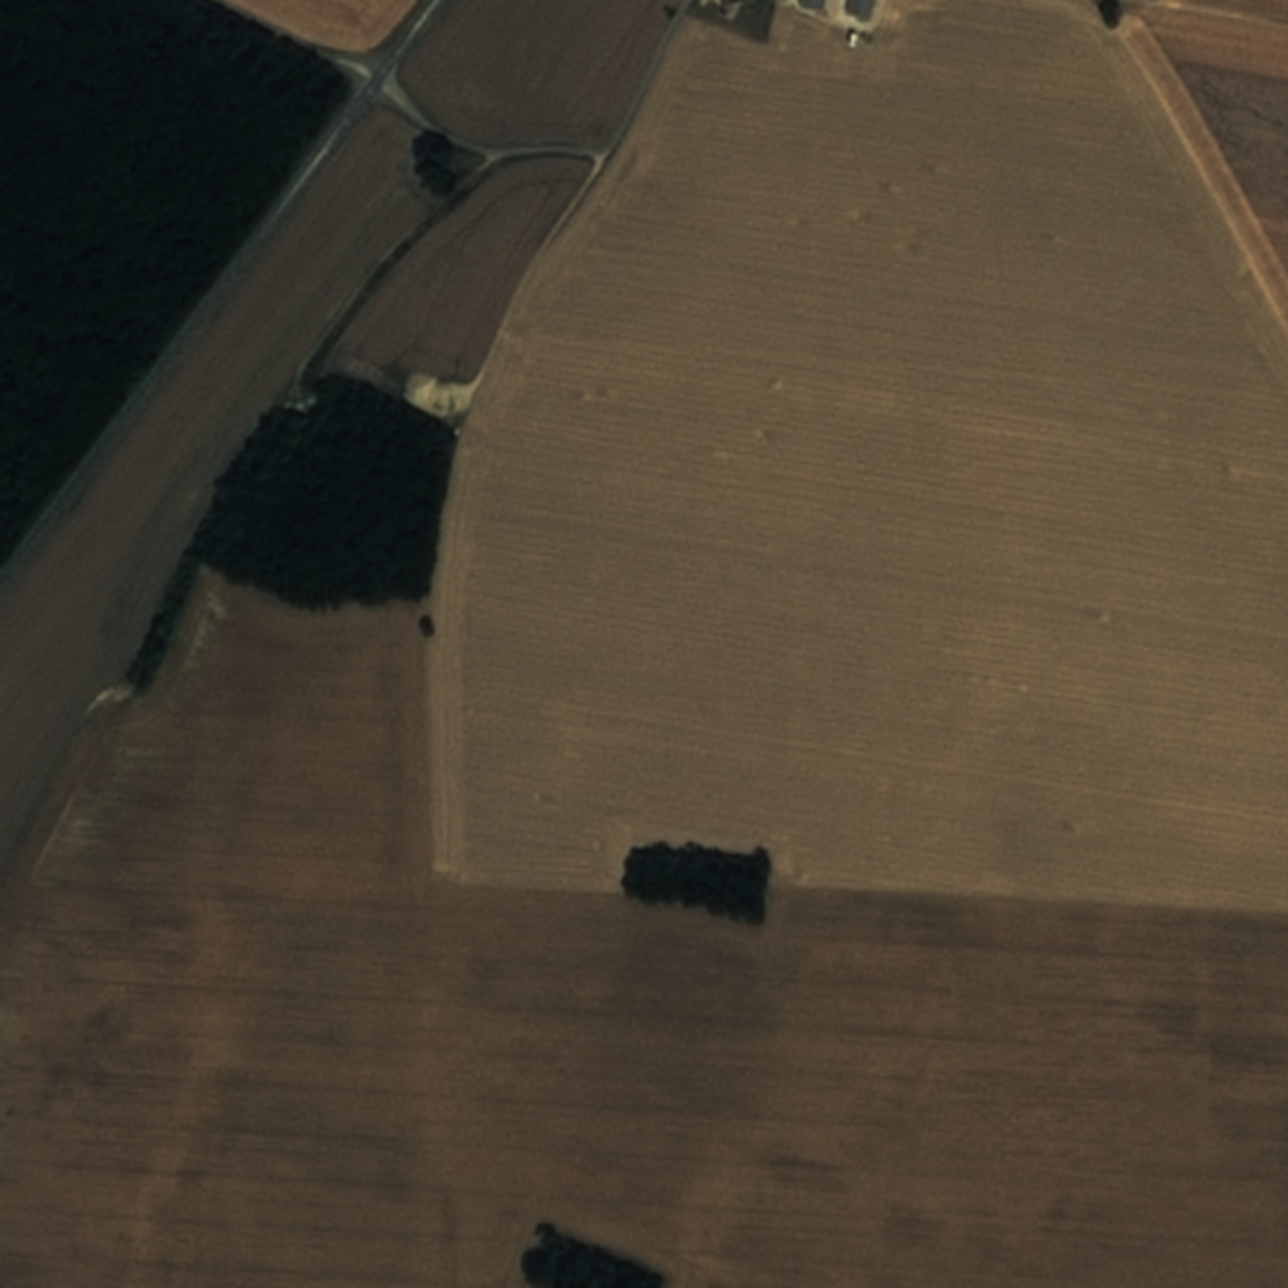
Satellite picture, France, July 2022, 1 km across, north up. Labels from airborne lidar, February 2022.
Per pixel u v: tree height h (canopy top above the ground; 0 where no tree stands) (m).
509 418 0
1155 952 0
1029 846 0
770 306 0
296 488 21
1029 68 0
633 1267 6
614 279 0
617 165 0
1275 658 0
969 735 0
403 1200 0
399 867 0
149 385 0
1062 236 0
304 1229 0
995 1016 0
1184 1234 0
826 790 0
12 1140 0
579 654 0
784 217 0
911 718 0
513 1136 0
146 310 26
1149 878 0
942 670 0
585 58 0
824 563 0
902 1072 0
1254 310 0
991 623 0
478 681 0
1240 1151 0
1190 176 0
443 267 0
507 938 0
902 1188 0
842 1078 0
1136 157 0
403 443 20
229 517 16
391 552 22
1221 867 0
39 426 24
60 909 0
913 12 0
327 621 0
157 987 0
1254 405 0
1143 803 0
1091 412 0
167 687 0
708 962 0
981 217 0
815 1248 0
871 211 0
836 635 0
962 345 0
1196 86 0
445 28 0
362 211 0
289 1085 0
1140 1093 0
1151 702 0
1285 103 0
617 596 0
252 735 0
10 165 26
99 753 0
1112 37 0
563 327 0
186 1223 0
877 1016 0
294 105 23
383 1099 0
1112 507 0
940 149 0
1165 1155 0
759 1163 0
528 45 0
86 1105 0
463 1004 0
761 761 0
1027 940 0
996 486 0
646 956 0
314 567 22
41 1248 0
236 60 21
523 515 0
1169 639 0
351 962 0
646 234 0
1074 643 0
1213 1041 0
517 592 0
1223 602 0
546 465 0
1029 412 0
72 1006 0
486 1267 0
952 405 0
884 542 0
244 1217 0
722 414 0
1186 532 0
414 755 0
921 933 0
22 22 24
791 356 0
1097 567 0
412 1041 0
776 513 0
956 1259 0
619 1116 0
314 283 0
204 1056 0
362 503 21
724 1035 0
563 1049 0
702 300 0
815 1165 0
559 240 0
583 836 0
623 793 0
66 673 0
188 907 0
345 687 0
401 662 0
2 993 0
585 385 0
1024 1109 0
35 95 28
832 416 0
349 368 0
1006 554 0
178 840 0
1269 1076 0
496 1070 0
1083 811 0
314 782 0
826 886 0
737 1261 0
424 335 0
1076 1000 0
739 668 0
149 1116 0
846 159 0
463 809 0
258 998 0
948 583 0
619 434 0
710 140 0
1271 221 0
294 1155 0
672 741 0
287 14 0
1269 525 0
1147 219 0
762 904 17
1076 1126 0
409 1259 0
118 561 0
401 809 0
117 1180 0
